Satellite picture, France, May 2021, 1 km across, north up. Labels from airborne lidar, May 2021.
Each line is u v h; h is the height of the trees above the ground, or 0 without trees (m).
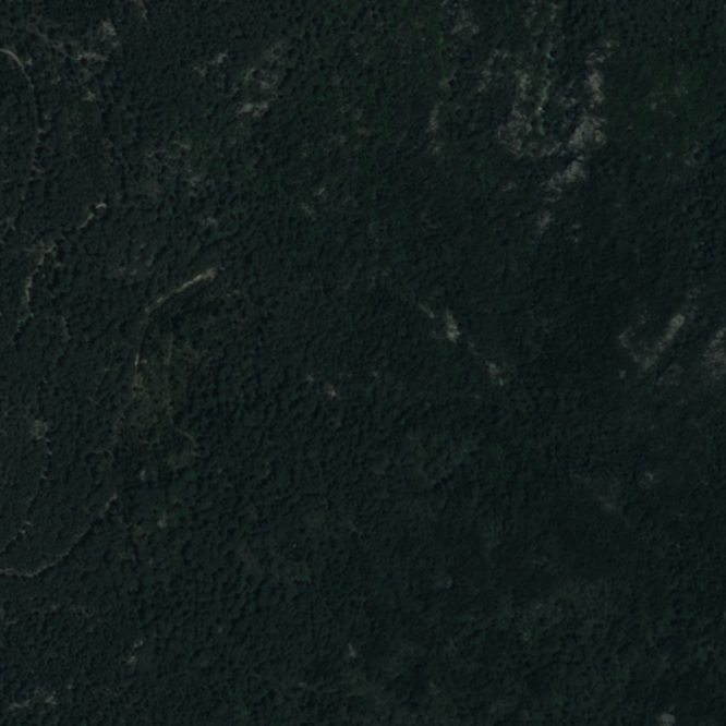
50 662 14
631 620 16
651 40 24
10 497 21
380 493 31
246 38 28
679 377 10
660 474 8
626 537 12
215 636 26
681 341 10
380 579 26
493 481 15
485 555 21
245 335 9
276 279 34
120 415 34
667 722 0
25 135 30
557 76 9
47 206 29
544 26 11
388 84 19
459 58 13
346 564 16
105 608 24
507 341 16
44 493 25
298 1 29
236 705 27
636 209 17
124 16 21
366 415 23
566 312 9
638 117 12
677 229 19
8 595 26
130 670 20
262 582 20
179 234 22
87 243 26
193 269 19
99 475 33
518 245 9
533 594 21
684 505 13
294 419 15
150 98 22
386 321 16
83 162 8
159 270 7
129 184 26
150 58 29
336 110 13
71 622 15
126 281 19
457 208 12
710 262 13
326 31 17
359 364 15
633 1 32
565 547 10
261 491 23
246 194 18
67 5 12
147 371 21
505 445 12
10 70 12
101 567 36
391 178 16
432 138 7
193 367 8
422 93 11
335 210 9
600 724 21
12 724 21
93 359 19
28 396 26
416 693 18
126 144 24
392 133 10
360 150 8
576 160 7
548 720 18
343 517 23
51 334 24
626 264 14
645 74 8
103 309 34
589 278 17
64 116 29
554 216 9
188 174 11
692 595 15
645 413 7
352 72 16
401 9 22
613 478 12
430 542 21
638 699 20
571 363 15
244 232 35
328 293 20
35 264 8
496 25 12
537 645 16
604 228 16
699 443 11
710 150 18
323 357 11
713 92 15
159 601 26
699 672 20
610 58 8
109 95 30
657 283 29
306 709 26
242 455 23
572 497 15
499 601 27
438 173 12
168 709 17
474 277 13
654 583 14
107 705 21
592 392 11
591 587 19
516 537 14
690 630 12
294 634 23
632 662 22
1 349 28
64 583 24
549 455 12
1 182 25
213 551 31
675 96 10
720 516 11
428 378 11
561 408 21
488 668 17
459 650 16
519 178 12
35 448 18
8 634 18
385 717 23
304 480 23
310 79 20
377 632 21
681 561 14
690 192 26
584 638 16
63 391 30
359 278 18
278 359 15
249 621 28
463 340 12
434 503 17
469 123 24
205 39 26
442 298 12
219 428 23
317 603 30
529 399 14
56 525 20
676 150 8
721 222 28
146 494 30
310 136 11
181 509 26
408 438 26
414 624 19
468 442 23
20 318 9
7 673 28
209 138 7
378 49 12
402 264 14
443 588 15
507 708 16
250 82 9
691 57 13
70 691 23
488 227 12
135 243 13
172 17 28
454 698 17
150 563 32
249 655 24
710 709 12
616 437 13
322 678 35
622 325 14
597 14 30
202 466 16
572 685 23
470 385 12
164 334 8
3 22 31
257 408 27
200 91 25
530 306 6
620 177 26
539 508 12
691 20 32
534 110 10
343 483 26
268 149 20
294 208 12
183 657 21
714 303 15
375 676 16
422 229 16
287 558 14
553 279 14
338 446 27
